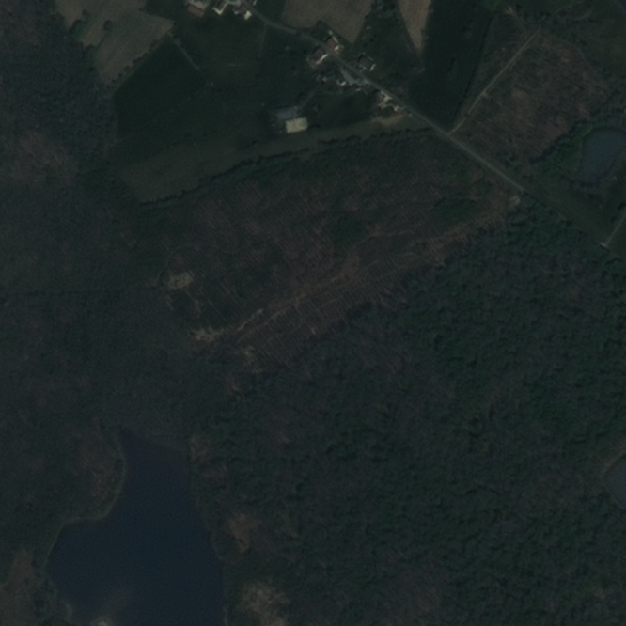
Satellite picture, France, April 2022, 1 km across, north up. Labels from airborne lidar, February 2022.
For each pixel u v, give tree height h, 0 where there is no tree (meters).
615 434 22
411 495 27
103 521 0
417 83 0
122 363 17
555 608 29
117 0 0
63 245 20
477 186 6
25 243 16
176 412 21
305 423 32
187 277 0
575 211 0
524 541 25
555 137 0
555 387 28
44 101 18
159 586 0
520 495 29
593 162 0
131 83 0
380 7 12
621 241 0
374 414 31
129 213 10
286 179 7
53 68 16
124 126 0
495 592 28
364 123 0
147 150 0
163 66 0
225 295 8
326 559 24
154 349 17
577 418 28
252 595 0
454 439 29
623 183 0
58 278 16
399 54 0
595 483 27
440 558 21
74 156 16
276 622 0
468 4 0
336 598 26
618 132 0
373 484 28
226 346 22
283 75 0
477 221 0
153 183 0
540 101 0
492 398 28
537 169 25
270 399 28
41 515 20
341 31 0
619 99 18
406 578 31
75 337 17
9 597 0
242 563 16
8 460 16
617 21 0
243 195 12
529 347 24
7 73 17
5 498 17
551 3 0
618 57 0
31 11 23
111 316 16
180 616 0
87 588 0
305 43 0
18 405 15
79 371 17
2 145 15
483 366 20
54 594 12
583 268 27
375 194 8
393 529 25
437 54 0
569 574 27
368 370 30
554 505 24
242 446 27
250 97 0
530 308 28
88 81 17
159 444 0
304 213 7
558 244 28
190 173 0
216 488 16
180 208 8
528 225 17
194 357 15
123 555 0
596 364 31
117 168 0
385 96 0
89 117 17
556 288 25
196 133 0
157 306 20
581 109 0
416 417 31
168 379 21
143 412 15
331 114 0
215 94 7
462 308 26
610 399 28
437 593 32
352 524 25
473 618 23
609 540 27
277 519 28
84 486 15
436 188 6
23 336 18
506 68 0
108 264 16
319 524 27
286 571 18
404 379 26
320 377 29
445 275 17
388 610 28
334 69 8
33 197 17
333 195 5
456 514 26
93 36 0
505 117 0
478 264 30
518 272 27
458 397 26
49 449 18
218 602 0
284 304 0
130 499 0
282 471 29
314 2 0
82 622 0
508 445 28
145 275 14
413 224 7
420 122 0
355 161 9
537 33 0
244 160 0
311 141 0
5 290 14
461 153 0
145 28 0
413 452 24
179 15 0
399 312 27
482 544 25
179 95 0
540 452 28
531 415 26
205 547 0
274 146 0
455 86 0
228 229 6
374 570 29
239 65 0
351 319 6
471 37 8
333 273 7
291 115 0
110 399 12
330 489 29
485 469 27
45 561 18
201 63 0
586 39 0
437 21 0
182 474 0
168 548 0
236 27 0
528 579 22
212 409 20
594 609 23
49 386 21
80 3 0
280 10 0
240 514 23
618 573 25
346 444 24
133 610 0
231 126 0
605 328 30
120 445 0
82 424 18
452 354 25
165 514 0
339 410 28
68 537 0
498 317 23
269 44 0
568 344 27
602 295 27
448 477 27
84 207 15
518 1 0
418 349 30
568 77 0
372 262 0
